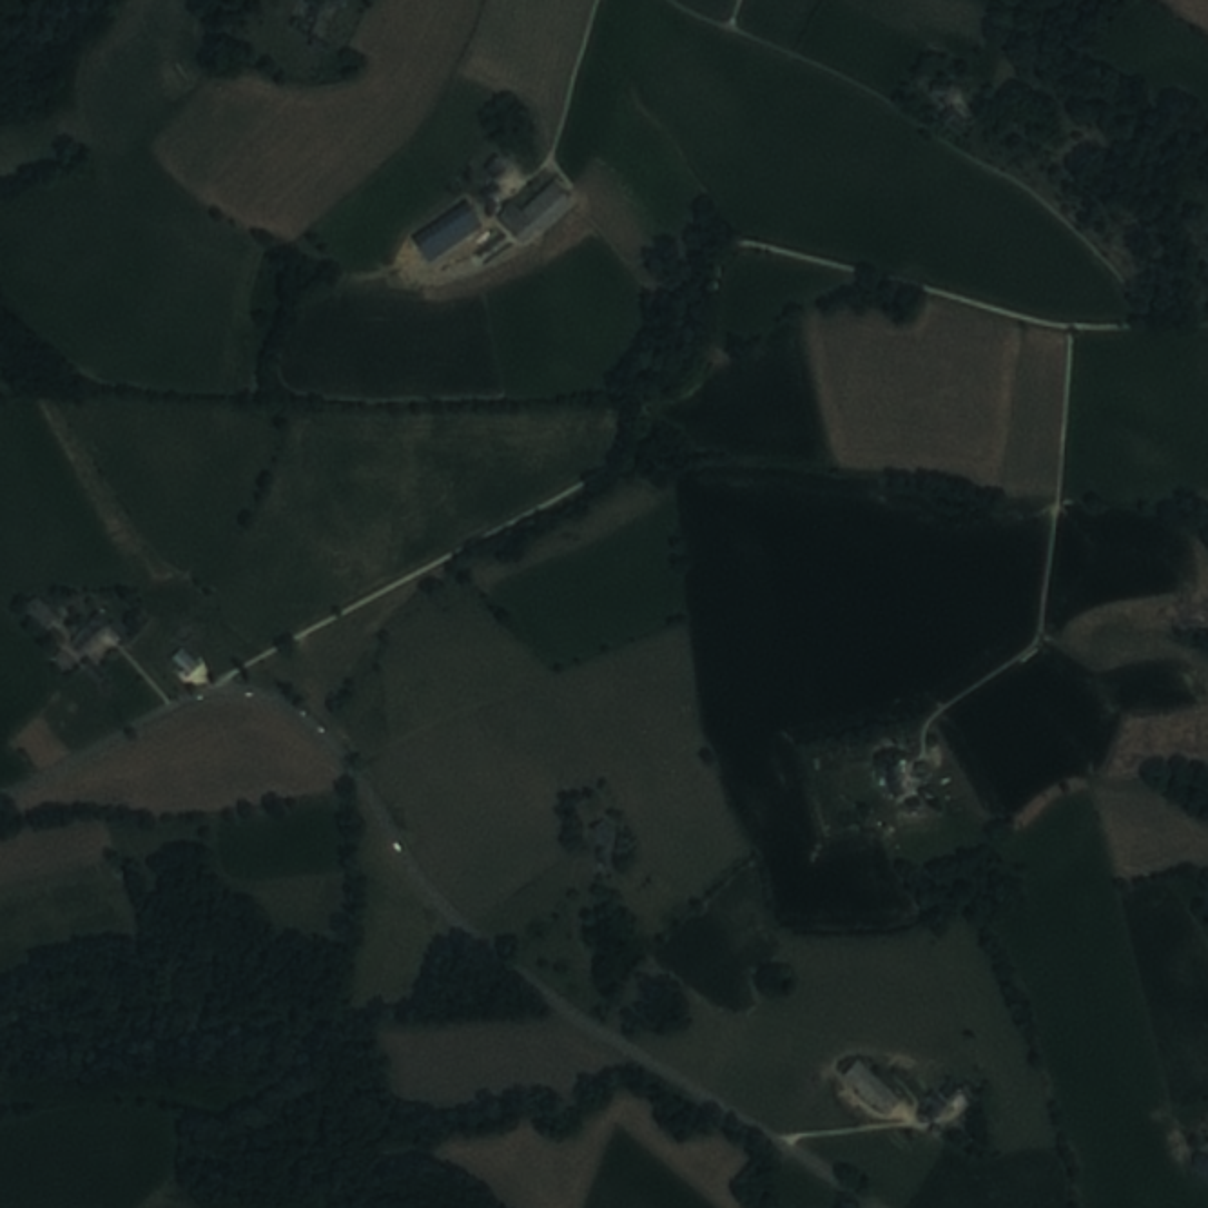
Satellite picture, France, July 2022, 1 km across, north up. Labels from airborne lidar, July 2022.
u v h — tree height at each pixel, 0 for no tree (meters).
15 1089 0
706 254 21
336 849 0
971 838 0
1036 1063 16
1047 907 0
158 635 0
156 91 0
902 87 7
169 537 0
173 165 0
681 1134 16
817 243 0
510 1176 0
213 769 0
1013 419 0
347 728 0
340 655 0
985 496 17
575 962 0
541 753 0
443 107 0
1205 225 16
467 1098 0
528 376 0
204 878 17
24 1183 0
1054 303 0
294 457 0
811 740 6
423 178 0
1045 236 0
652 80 0
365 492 0
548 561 0
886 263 0
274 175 0
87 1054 25
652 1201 0
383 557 0
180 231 0
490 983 27
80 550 0
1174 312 24
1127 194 19
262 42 0
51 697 0
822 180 0
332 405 7
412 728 0
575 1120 13
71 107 0
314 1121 14
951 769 0
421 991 18
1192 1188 0
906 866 12
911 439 0
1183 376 0
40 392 20
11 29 15
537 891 0
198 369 0
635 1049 0
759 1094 0
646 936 0
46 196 0
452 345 0
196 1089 0
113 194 0
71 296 0
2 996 21
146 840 0
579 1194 0
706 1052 0
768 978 16
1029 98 23
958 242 0
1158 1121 0
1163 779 22
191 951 20
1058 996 0
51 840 0
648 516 0
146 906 18
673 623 9
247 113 0
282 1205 15
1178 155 24
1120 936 0
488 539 9
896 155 0
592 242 0
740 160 0
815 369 0
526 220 0
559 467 0
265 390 14
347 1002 15
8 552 0
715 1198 0
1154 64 0
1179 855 0
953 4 0
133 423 0
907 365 0
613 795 0
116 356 0
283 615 0
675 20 0
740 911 0
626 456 23
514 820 0
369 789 0
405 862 0
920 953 0
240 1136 29
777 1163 22
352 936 19
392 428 0
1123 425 0
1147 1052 0
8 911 0
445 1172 26
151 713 0
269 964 17
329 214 0
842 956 0
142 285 0
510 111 13
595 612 0
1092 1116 0
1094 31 21
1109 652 0
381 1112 25
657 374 24
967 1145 6
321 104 0
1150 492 0
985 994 0
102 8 23
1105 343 0
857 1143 0
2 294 8
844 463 0
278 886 0
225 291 0
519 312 0
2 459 0
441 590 10
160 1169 0
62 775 0
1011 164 7
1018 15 14
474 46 0
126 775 0
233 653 0
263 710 0
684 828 0
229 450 0
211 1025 11
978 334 0
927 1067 0
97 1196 0
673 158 0
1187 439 0
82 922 0
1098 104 22
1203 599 0
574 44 0
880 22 0
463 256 0
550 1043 0
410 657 0
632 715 0
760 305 0
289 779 0
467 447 0
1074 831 0
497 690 0
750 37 0
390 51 0
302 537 0
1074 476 0
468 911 0
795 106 0
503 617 14
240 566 0
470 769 0
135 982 29
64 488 0
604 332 0
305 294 10
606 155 0
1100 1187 0
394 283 0
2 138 0
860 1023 0
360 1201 23
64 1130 0
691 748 0
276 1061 19
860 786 0
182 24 0
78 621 11
